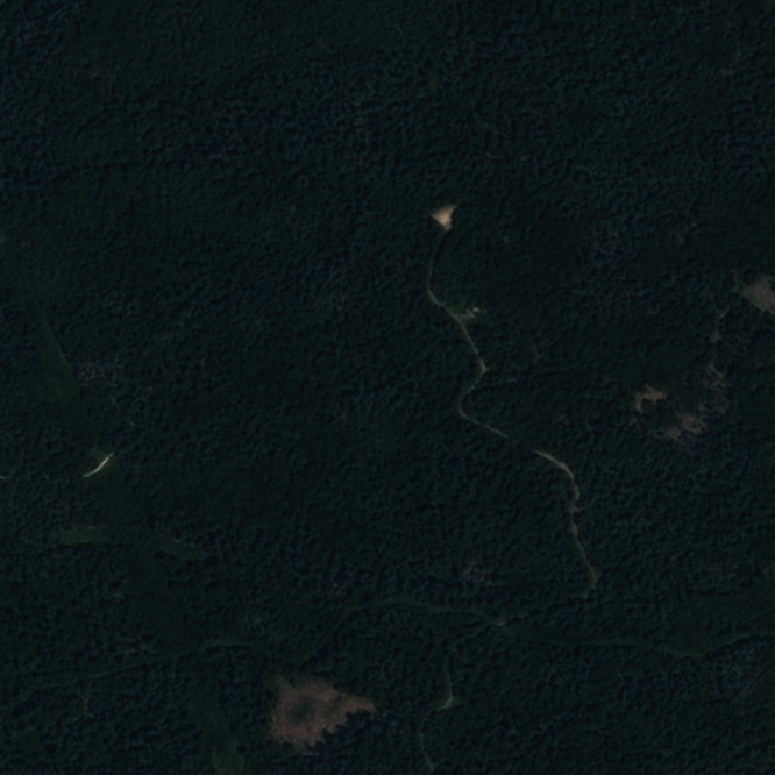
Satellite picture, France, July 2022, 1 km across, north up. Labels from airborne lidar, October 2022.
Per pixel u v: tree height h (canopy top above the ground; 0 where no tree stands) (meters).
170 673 24
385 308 15
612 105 12
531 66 13
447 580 6
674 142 22
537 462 24
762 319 8
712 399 25
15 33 20
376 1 13
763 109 25
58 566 9
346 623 9
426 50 20
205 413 19
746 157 23
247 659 23
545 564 9
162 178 9
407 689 23
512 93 16
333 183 6
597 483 28
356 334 17
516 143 23
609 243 29
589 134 11
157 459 13
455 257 9
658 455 21
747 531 9
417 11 12
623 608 8
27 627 9
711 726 14
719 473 20
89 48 14
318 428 7
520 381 13
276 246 14
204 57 6
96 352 19
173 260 11
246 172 17
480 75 22
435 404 14
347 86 26
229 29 10
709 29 23
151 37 11
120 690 13
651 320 18
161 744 25
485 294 16
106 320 8
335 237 16
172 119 19
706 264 28
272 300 26
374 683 14
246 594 23
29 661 22
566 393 18
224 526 21
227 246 12
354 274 23
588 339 13
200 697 8
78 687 8
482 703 13
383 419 7
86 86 18
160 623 10
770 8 25
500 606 18
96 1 21
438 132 18
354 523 15
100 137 10
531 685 14
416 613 17
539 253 18
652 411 18
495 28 18
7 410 7
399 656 25
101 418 14
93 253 9
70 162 8
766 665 25
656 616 16
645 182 13
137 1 17
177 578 15
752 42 30
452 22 21
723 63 18
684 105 17
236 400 17
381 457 19
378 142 7
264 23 13
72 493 13
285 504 15
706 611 20
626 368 16
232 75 15
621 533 20
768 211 10
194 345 11
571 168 21
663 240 19
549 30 20
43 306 15
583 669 20
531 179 18
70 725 8
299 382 15
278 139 12
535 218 20
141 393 25
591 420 15
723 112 17
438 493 19
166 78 14
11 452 13
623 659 19
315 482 13
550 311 20
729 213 13
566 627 12
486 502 19
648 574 18
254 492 10
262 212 13
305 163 14
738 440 19
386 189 10
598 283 23
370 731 23
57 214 10
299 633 24
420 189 14
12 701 17
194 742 25
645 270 20
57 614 12
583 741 18
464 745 19
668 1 24
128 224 10
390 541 17
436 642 23
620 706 15
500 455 25
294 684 8
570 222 17
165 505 14
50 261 10
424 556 21
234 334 10
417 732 21
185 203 6
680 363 15
